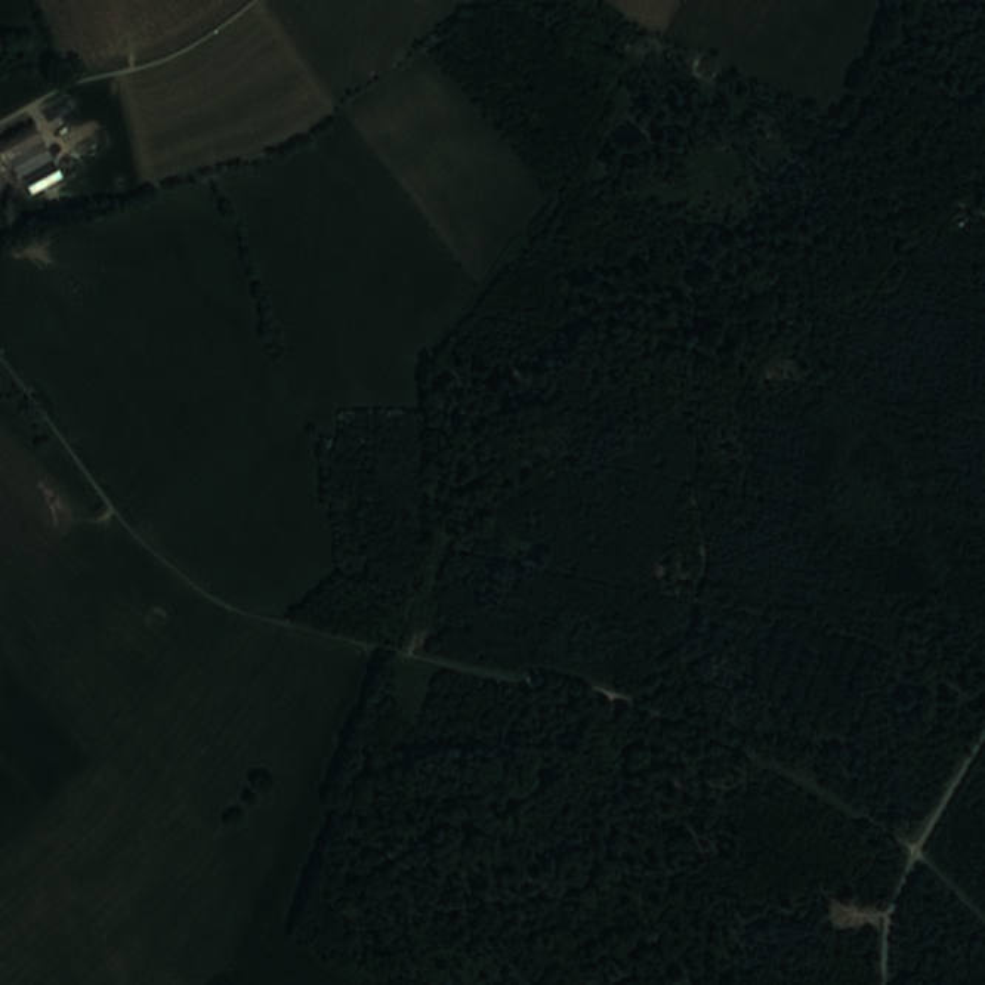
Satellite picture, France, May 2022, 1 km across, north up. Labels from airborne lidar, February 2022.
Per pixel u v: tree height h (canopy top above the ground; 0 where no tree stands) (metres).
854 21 0
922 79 21
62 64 20
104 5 0
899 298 8
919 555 16
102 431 0
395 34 0
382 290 0
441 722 8
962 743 12
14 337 0
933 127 14
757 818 12
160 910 0
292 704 0
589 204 8
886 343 12
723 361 29
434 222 0
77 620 0
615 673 11
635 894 12
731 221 7
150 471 0
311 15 0
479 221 0
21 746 0
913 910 11
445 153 0
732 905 19
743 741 17
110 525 0
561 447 20
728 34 0
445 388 15
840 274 20
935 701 7
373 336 0
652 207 10
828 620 12
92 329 0
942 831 9
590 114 15
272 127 0
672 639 10
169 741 0
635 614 10
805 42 0
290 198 0
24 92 0
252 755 0
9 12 0
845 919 0
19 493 0
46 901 0
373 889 20
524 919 30
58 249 0
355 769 17
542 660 9
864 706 22
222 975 0
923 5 22
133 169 0
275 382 0
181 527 0
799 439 12
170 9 0
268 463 0
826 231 19
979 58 12
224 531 0
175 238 0
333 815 16
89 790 0
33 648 0
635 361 29
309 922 24
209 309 0
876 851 11
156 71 0
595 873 32
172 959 0
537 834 22
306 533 0
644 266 28
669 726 20
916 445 6
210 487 0
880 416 10
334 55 0
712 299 15
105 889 0
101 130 0
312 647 0
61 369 0
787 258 18
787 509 11
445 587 10
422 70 0
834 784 13
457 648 11
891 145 18
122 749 0
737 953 31
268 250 0
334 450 6
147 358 0
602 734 23
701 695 18
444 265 0
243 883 0
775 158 0
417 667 0
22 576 0
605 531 9
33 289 0
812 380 9
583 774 24
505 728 12
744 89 17
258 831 0
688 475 7
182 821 0
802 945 23
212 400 0
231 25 0
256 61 0
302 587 0
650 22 0
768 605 10
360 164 0
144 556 0
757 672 19
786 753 16
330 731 0
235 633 0
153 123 0
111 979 0
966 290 10
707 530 10
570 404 20
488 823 32
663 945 10
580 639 13
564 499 11
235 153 0
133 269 0
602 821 28
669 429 10
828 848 10
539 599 11
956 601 14
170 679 0
